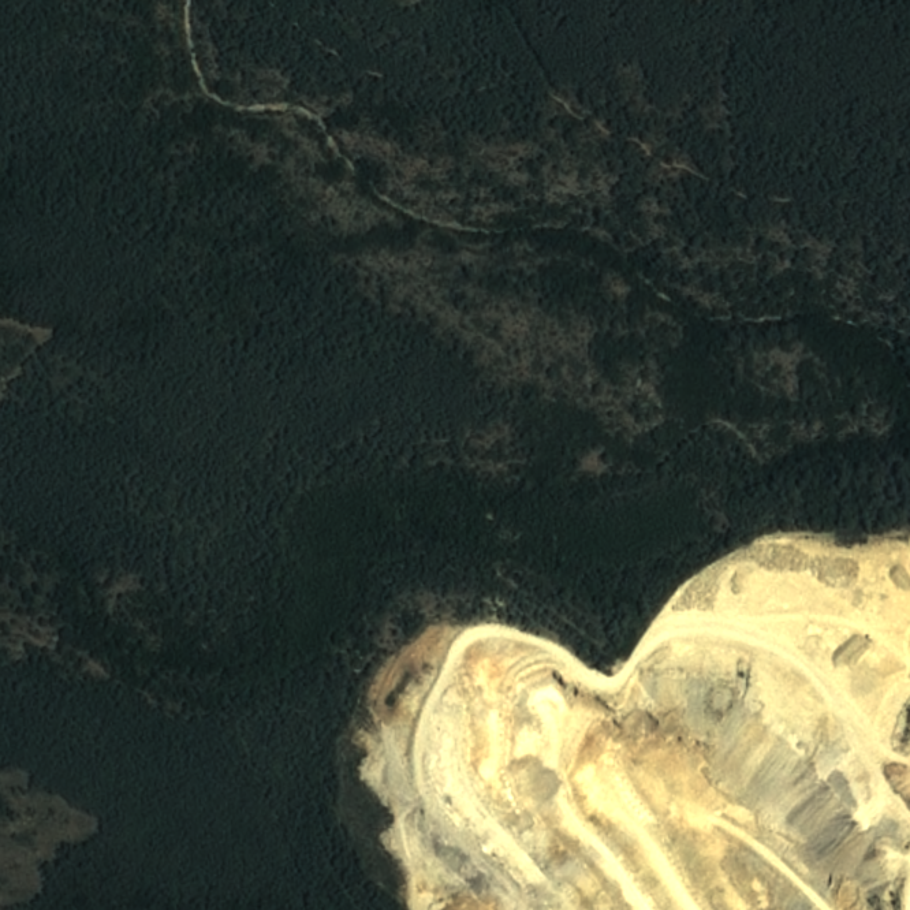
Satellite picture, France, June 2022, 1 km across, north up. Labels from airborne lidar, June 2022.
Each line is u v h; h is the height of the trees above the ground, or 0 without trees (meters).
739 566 0
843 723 0
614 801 0
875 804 0
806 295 7
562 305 6
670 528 7
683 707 0
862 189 21
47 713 13
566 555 8
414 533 13
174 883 12
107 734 14
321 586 7
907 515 20
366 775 0
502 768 0
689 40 14
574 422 6
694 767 0
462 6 14
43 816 0
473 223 6
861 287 6
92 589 11
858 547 0
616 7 21
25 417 12
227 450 14
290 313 11
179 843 13
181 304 10
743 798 0
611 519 8
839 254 13
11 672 15
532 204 14
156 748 12
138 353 11
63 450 14
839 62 14
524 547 6
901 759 0
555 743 0
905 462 5
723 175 12
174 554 13
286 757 7
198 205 10
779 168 16
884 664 0
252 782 12
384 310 8
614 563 7
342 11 15
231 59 8
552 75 16
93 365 15
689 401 9
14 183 16
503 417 13
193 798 13
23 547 11
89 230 14
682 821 0
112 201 15
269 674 10
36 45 10
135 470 11
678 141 13
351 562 8
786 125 13
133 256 17
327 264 12
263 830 13
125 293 11
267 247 9
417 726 0
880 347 15
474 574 8
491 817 0
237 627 6
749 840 0
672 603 0
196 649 9
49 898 12
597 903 0
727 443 19
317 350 12
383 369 11
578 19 18
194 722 12
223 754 11
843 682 0
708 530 14
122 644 12
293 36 12
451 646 0
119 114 9
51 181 18
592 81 16
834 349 8
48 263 12
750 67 14
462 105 18
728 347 7
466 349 12
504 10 18
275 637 12
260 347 16
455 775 0
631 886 0
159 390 9
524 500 11
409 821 0
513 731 0
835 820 0
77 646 7
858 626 0
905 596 0
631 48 16
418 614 10
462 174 11
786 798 0
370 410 14
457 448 13
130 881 14
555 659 0
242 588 13
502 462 8
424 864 0
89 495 14
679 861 0
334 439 12
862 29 18
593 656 9
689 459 9
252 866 12
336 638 13
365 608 12
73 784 10
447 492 8
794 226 11
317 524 9
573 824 0
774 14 19
